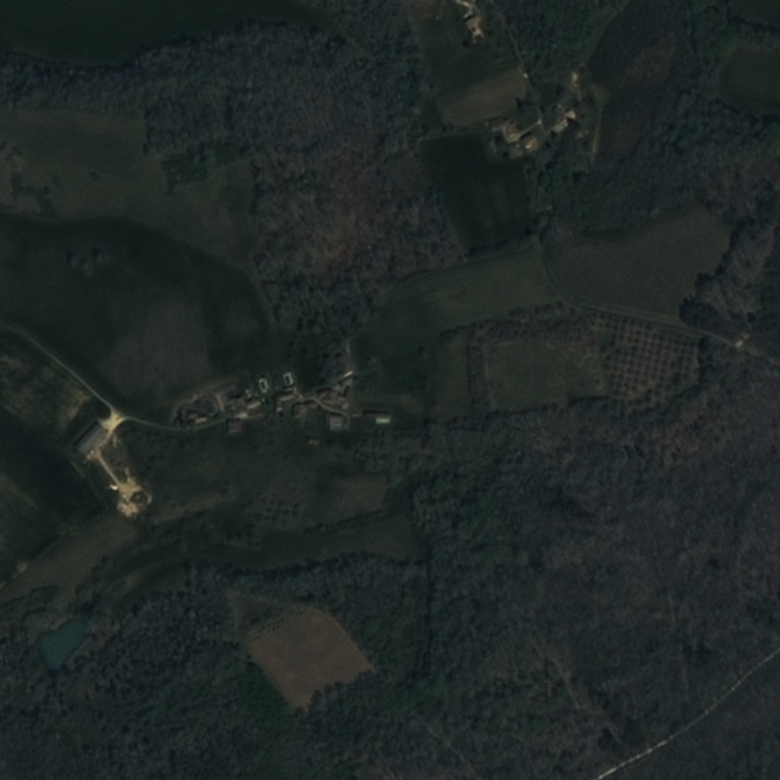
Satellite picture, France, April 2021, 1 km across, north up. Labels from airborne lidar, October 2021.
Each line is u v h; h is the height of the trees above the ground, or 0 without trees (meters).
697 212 0
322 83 24
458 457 23
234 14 0
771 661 22
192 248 0
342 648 0
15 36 0
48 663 0
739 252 16
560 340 8
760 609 21
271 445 9
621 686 14
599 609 10
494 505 15
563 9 23
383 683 13
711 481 16
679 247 0
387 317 0
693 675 21
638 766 11
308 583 23
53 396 0
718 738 22
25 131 0
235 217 0
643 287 0
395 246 14
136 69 14
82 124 0
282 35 17
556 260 0
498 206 0
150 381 0
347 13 22
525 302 0
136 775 17
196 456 0
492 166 0
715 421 7
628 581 24
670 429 8
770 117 0
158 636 18
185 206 0
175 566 0
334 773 14
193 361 0
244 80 21
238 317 0
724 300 14
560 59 19
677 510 17
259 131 23
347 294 25
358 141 6
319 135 18
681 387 12
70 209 0
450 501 21
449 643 12
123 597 0
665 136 19
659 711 17
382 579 23
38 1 0
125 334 0
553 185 16
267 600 17
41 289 0
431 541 10
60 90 14
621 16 17
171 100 22
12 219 0
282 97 20
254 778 13
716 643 21
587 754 22
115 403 0
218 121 24
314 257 20
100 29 0
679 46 8
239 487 0
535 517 17
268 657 0
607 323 6
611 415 17
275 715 17
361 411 0
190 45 13
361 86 14
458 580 20
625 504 14
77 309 0
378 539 0
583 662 7
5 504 0
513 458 14
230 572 7
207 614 8
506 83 0
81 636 0
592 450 13
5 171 0
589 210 18
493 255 12
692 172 17
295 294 24
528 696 21
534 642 20
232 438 0
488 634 21
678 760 20
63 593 0
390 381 0
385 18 21
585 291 0
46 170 0
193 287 0
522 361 0
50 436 0
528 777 24
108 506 0
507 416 10
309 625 0
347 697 15
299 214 16
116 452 0
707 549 20
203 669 18
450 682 15
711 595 10
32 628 16
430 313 0
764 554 13
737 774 21
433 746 18
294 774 20
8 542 0
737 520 15
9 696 11
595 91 0
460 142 0
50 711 23
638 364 10
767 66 0
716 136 21
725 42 26
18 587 0
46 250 0
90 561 0
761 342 8
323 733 14
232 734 16
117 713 7
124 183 0
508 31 10
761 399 14
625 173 20
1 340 0
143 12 0
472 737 25
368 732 13
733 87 0
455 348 0
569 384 0
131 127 0
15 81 10
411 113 14
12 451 0
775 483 17
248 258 0
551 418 13
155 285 0
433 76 0
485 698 13
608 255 0
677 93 15
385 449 12
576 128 19
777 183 14
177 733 15
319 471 0
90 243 0
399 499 7
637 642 8
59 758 22
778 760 24
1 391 0
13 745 13
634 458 20
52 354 0
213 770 22
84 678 12
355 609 14
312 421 0
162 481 0
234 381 0
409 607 13
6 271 0
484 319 0
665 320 0
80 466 0
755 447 18
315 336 19
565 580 13
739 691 22
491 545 23
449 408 0
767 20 0
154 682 18
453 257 13
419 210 14
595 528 17
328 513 0
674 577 11
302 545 0
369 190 10
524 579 24
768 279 12
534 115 18
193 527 11
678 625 7
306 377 0
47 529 0
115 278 0
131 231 0
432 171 0
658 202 15
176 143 21
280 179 16
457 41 0
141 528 0
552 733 13
